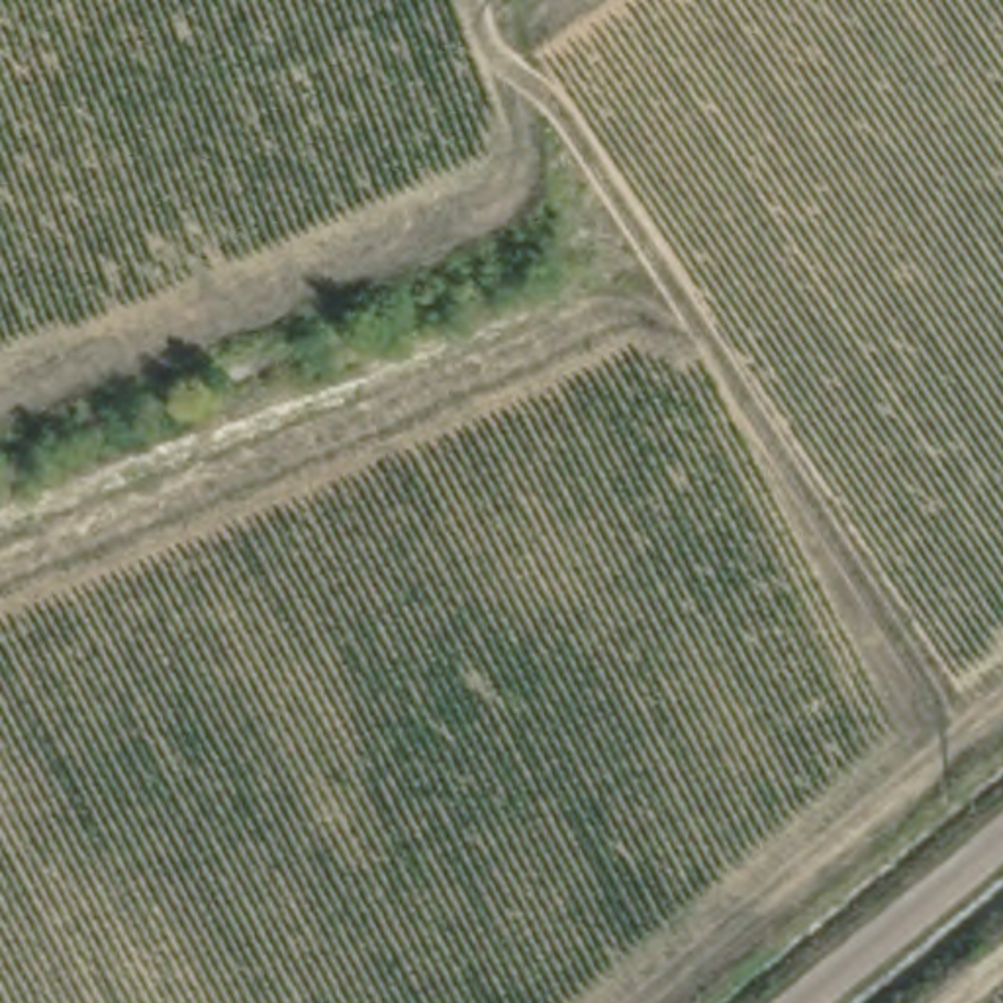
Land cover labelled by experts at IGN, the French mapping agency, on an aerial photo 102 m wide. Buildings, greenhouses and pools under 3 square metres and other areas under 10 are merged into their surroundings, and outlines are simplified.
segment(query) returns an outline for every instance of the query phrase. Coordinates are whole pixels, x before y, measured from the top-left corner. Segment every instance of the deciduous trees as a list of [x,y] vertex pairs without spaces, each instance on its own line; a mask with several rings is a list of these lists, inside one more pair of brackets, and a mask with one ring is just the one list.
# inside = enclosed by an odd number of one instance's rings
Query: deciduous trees
[[560,141],[541,118],[533,121],[537,168],[529,180],[529,196],[517,204],[509,223],[502,223],[490,235],[458,243],[435,266],[396,266],[380,278],[353,282],[313,274],[310,294],[286,317],[270,321],[278,337],[251,337],[223,353],[215,364],[204,357],[200,345],[168,341],[161,353],[145,357],[137,372],[71,388],[43,411],[16,407],[0,419],[0,505],[16,498],[35,498],[39,490],[63,486],[94,466],[106,466],[133,451],[149,451],[165,439],[212,431],[215,423],[239,419],[263,404],[349,380],[364,372],[372,360],[396,360],[411,353],[411,345],[427,333],[466,333],[478,321],[490,321],[498,310],[549,298],[572,270],[572,259],[596,259],[596,247],[572,247],[556,231],[556,223],[588,196],[588,184],[576,168],[549,168],[549,157],[560,153]]

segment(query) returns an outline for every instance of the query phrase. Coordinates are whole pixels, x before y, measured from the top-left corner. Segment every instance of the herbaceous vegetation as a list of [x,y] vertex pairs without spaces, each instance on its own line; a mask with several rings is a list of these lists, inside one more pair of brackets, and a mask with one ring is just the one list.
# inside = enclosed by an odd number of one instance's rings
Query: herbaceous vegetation
[[180,325],[165,313],[153,329],[129,329],[118,337],[90,337],[55,349],[39,364],[8,372],[8,380],[0,384],[0,419],[16,407],[43,411],[71,388],[137,372],[145,357],[161,353],[168,341],[200,345],[204,357],[215,364],[223,353],[251,337],[278,337],[270,321],[286,317],[310,294],[313,274],[306,274],[302,266],[294,274],[282,274],[278,282],[247,274],[231,290],[200,298],[200,310],[208,317],[192,321],[180,337]]
[[521,55],[564,31],[592,0],[490,0],[502,35]]
[[964,893],[952,909],[944,909],[909,944],[901,944],[866,979],[858,979],[838,1003],[929,1003],[960,968],[968,968],[1003,940],[1003,866],[987,874],[972,893]]
[[956,752],[956,760],[948,760],[944,772],[905,811],[897,811],[862,846],[846,850],[835,866],[827,866],[799,897],[791,897],[776,913],[760,913],[737,940],[748,952],[744,964],[725,956],[713,968],[697,972],[693,983],[666,1003],[768,1003],[1003,811],[1003,725],[968,744],[964,752]]
[[611,215],[588,196],[556,223],[556,231],[572,247],[596,247],[596,259],[572,259],[572,270],[549,298],[549,306],[560,306],[564,294],[592,298],[607,290],[631,298],[654,290],[635,263],[635,251],[615,231]]
[[353,282],[380,278],[396,266],[435,266],[458,243],[490,235],[502,223],[509,223],[517,204],[529,196],[529,180],[537,168],[533,121],[541,118],[505,86],[502,102],[490,106],[478,141],[478,153],[486,153],[494,165],[505,165],[505,180],[478,180],[474,188],[443,196],[439,204],[415,208],[411,231],[400,227],[400,219],[392,215],[384,227],[337,243],[313,274]]

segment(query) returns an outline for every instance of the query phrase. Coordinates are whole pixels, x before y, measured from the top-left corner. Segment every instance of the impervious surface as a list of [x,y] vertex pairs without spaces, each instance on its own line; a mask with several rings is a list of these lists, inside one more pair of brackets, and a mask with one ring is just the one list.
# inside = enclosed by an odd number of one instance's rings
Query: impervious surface
[[909,944],[944,909],[952,909],[964,893],[972,893],[987,874],[1003,866],[1003,811],[768,1003],[838,1003],[858,979],[866,979],[901,944]]

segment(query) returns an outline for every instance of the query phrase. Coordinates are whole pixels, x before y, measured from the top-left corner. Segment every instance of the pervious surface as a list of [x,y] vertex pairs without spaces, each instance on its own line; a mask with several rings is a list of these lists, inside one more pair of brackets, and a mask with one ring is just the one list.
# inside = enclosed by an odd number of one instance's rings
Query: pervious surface
[[960,968],[929,1003],[1003,1003],[1003,940],[968,968]]

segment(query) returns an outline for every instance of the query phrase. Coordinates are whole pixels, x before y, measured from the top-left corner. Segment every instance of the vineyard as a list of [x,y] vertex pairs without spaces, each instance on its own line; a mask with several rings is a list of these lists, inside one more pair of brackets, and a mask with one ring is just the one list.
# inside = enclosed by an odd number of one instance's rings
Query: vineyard
[[560,153],[549,157],[549,168],[576,168],[588,184],[588,196],[611,215],[615,231],[635,251],[635,263],[654,290],[631,298],[607,290],[592,298],[564,294],[560,306],[549,306],[549,298],[498,310],[490,321],[478,321],[466,333],[427,333],[411,345],[411,353],[396,360],[372,360],[364,372],[349,380],[263,404],[239,419],[215,423],[212,431],[165,439],[149,451],[133,451],[106,466],[94,466],[63,486],[39,490],[35,498],[16,498],[0,505],[0,1003],[666,1003],[693,983],[697,972],[713,968],[725,956],[744,964],[748,952],[737,940],[760,913],[776,913],[791,897],[799,897],[827,866],[835,866],[846,850],[862,846],[897,811],[905,811],[944,772],[948,760],[956,760],[956,752],[964,752],[968,744],[1003,725],[1003,0],[592,0],[564,31],[521,55],[502,35],[490,0],[0,0],[0,384],[8,380],[8,372],[39,364],[55,349],[90,337],[118,337],[129,329],[153,329],[165,313],[180,325],[180,337],[192,321],[208,317],[200,310],[200,298],[231,290],[247,274],[278,282],[282,274],[294,274],[302,266],[306,274],[313,274],[337,243],[384,227],[392,215],[400,219],[400,227],[411,231],[415,208],[439,204],[443,196],[474,188],[478,180],[505,180],[505,165],[494,165],[486,153],[478,153],[478,141],[490,106],[502,102],[505,86],[541,118],[560,141]]

